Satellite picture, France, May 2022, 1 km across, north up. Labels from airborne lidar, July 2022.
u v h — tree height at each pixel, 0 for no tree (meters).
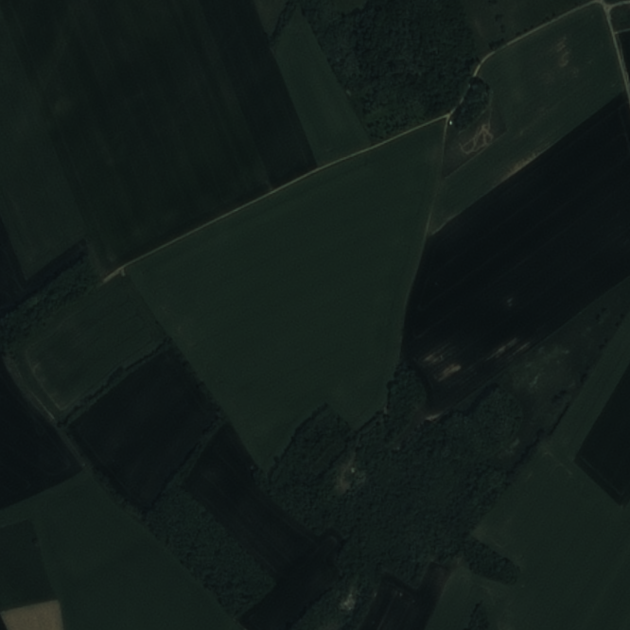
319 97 0
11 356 11
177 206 0
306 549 0
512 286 0
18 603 0
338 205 0
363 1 0
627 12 0
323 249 0
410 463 13
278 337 0
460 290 0
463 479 6
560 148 0
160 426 0
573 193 0
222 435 0
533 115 0
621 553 0
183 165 0
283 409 0
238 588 22
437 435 16
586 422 0
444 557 12
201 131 0
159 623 0
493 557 11
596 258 0
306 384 0
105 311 0
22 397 0
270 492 16
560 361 0
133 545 0
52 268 0
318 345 0
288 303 0
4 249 0
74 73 0
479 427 23
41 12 0
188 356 0
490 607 0
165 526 19
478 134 0
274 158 0
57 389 0
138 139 0
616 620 0
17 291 0
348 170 0
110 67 0
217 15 0
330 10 20
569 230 0
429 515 16
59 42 0
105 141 0
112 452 0
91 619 0
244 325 0
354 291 0
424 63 20
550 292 0
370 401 0
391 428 7
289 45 0
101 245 0
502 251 0
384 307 0
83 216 0
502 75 0
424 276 0
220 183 0
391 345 0
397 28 19
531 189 0
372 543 7
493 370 0
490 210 0
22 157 0
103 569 0
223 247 0
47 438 0
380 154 0
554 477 0
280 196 0
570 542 0
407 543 6
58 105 0
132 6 0
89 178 0
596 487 0
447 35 18
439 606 0
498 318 0
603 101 0
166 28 0
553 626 0
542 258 0
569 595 0
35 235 0
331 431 14
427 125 0
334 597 9
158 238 0
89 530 0
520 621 0
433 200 0
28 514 0
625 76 0
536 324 0
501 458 0
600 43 0
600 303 0
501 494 15
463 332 0
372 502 6
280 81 0
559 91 0
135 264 0
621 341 0
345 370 0
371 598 15
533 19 0
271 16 0
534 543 0
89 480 0
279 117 0
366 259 0
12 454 0
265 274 0
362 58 21
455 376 0
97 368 0
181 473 10
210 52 0
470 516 17
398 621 0
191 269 0
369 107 18
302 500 16
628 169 0
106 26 0
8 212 0
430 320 0
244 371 0
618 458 0
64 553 0
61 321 0
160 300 0
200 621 0
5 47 0
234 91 0
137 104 0
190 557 20
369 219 0
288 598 0
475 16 0
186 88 0
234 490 0
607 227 0
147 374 0
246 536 0
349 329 0
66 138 0
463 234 0
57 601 0
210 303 0
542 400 0
